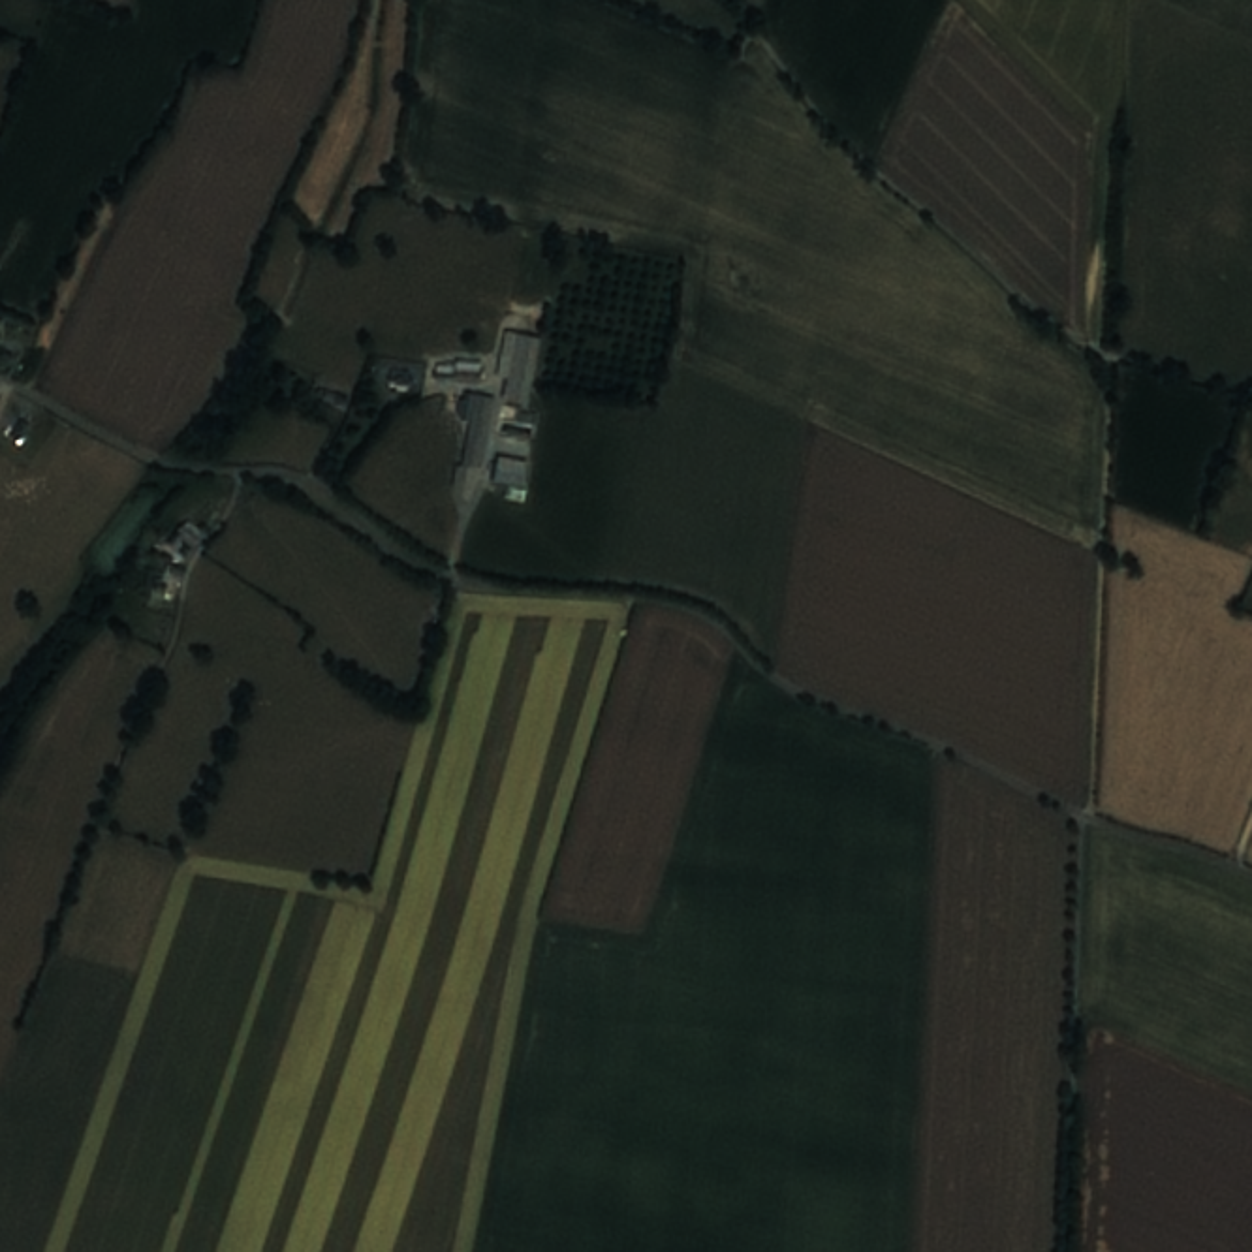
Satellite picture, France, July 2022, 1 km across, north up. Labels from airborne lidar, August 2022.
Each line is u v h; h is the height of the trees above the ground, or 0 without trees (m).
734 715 0
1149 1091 0
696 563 0
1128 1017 0
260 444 0
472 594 0
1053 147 0
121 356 0
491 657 0
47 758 0
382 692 22
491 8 0
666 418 0
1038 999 0
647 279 7
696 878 0
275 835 0
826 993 0
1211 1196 0
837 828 0
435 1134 0
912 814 0
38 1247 0
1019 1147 0
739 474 0
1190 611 0
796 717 0
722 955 0
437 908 0
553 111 0
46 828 0
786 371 0
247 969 0
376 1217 0
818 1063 0
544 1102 0
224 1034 0
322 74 0
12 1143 0
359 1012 0
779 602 0
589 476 0
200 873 0
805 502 0
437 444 0
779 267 0
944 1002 0
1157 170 0
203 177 0
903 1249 0
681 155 0
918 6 0
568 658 0
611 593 11
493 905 0
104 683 0
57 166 0
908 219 0
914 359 0
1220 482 19
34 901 0
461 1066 0
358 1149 0
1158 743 0
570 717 0
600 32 0
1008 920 0
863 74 0
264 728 0
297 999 0
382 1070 0
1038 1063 0
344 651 0
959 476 0
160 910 0
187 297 0
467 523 0
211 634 0
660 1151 0
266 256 14
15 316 12
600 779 0
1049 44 0
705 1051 0
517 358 0
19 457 0
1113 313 18
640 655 0
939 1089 0
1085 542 0
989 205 0
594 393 15
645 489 0
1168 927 0
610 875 0
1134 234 0
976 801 0
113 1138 0
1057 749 0
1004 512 0
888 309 0
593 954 0
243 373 32
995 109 0
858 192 0
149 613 0
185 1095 0
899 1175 0
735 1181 0
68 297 0
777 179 0
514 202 0
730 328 0
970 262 0
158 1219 0
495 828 0
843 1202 0
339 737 0
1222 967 0
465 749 0
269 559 0
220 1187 0
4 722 16
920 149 0
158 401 0
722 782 0
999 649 0
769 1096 0
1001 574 0
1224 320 0
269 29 0
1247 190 0
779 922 0
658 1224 0
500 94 0
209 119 0
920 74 0
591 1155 0
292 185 8
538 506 0
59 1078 0
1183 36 0
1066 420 0
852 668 0
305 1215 0
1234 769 0
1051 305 0
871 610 0
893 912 0
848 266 0
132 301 0
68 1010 0
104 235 0
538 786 0
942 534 0
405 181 10
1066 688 0
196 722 0
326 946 0
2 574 0
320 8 0
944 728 0
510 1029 0
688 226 0
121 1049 0
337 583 0
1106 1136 0
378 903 0
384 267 0
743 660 0
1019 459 0
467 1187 0
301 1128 0
